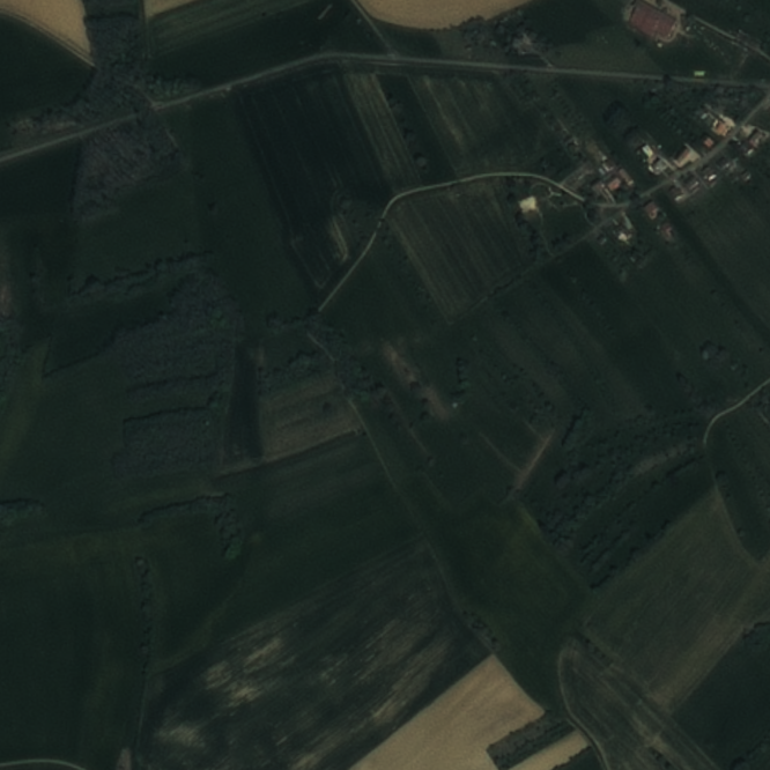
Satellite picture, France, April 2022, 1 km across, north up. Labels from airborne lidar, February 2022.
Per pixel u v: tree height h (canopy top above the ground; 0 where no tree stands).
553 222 0
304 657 0
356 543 0
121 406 0
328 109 0
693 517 0
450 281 0
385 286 0
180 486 0
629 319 0
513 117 0
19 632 0
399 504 0
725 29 0
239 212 0
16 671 0
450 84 0
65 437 0
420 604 0
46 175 0
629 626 0
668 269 0
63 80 0
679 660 0
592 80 0
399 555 0
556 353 0
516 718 0
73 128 0
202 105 0
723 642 0
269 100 0
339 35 0
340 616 0
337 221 0
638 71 0
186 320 19
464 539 0
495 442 0
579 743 0
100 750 0
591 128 0
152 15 0
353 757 0
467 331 0
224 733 0
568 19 0
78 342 0
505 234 0
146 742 0
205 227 0
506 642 0
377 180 0
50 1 0
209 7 0
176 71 0
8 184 0
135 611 0
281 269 0
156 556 0
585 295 6
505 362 0
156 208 0
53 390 0
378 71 0
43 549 0
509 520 0
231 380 20
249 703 0
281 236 0
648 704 0
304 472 0
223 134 0
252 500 0
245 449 0
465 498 0
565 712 0
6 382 11
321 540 0
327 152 0
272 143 0
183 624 0
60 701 0
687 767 0
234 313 22
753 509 0
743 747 0
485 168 0
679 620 0
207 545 0
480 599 0
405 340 0
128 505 0
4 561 0
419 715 0
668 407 0
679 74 0
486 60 0
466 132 0
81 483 0
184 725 0
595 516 0
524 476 0
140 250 0
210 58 0
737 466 0
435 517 0
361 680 0
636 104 0
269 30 0
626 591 0
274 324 15
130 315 0
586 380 0
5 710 0
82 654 0
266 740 0
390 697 0
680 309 0
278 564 0
